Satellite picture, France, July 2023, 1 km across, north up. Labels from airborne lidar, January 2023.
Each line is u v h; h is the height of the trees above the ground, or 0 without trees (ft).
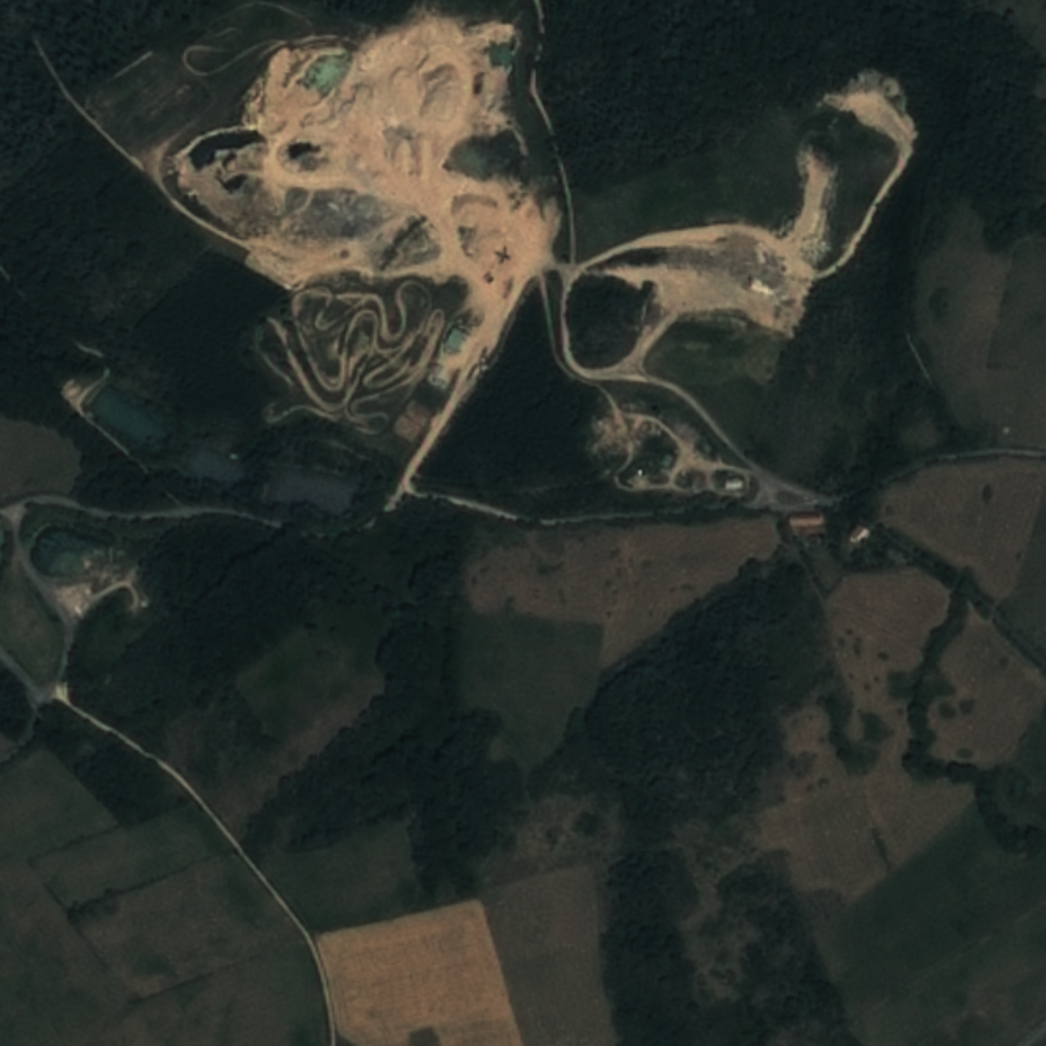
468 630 0
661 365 0
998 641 0
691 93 28
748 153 0
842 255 0
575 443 33
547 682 0
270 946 0
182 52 0
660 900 24
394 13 53
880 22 86
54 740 42
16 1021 0
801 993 27
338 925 0
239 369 37
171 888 0
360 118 0
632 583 0
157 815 0
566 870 0
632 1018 21
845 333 18
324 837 45
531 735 0
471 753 27
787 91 25
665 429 0
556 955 0
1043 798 0
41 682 0
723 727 35
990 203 58
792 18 42
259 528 30
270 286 37
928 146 33
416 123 0
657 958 26
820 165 0
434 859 34
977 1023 0
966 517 0
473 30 0
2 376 80
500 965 0
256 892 0
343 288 0
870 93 0
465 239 0
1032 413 0
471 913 0
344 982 0
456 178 0
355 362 0
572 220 0
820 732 0
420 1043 0
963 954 0
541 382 36
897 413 23
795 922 27
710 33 39
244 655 34
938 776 29
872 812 0
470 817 24
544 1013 0
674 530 0
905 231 34
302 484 0
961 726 0
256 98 0
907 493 0
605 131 31
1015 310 0
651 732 40
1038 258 0
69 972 0
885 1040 0
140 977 0
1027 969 0
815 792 0
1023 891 0
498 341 0
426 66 0
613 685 33
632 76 57
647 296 24
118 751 34
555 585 0
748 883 25
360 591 51
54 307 69
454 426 21
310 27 0
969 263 0
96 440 58
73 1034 0
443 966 0
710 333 0
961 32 67
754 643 32
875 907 0
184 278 21
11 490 0
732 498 20
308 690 0
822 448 0
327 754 27
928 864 0
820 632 0
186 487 62
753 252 0
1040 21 0
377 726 47
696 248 0
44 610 0
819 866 0
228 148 0
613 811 0
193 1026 0
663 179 0
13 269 32
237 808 0
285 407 0
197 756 0
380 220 0
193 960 0
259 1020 0
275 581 65
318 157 0
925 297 0
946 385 0
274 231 0
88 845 0
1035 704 0
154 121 0
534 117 0
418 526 46
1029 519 0
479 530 0
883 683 0
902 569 0
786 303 25
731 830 0
